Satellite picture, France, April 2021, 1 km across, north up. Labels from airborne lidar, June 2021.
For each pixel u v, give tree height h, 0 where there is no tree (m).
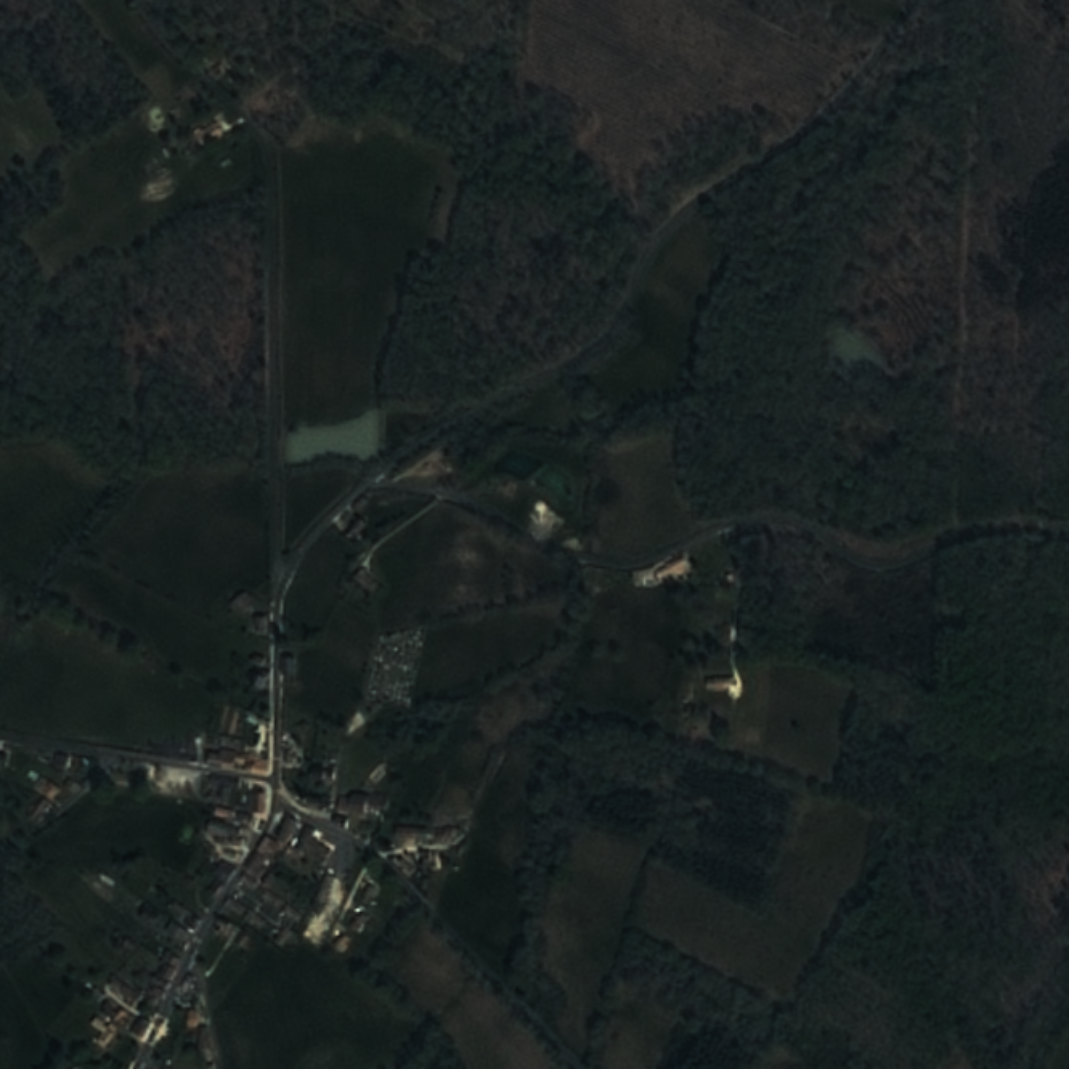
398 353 20
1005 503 12
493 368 23
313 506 0
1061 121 11
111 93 13
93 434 28
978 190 11
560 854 18
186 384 16
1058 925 10
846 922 18
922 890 13
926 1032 15
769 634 20
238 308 14
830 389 17
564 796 14
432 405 24
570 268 17
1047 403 11
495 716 0
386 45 6
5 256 15
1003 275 8
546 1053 10
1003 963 16
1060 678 20
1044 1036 22
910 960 20
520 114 12
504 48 15
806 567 15
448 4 11
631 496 0
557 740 9
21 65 17
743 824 14
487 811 0
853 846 0
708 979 16
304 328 0
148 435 20
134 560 0
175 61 6
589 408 25
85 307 19
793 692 0
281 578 0
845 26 19
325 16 17
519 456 0
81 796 0
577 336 18
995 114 11
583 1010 0
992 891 11
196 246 21
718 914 0
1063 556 16
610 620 0
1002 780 12
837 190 28
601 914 0
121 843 0
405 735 15
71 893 0
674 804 12
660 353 0
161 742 0
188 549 0
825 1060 7
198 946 0
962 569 23
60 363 17
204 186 0
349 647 0
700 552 0
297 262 0
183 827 0
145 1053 0
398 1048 0
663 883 0
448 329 25
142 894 0
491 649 0
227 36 20
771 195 15
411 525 0
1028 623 20
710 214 15
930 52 15
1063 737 17
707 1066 18
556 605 14
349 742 10
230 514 0
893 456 19
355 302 0
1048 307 12
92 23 14
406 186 0
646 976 11
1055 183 11
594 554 0
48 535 0
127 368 20
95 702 0
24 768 0
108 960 0
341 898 0
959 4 16
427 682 0
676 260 0
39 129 0
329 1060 0
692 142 18
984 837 13
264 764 0
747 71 0
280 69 18
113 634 14
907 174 21
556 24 0
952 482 19
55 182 19
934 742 15
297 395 0
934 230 17
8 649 0
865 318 13
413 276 16
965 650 20
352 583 12
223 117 0
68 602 14
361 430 0
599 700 0
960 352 12
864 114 15
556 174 21
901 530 20
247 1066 0
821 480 21
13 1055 0
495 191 16
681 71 0
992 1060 18
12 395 25
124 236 0
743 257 19
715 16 0
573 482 0
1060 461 12
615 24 0
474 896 0
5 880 10
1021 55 11
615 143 0
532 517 0
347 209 0
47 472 0
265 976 0
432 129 25
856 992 12
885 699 13
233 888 0
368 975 17
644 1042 0
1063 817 21
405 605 0
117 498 9
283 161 0
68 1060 9
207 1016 0
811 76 0
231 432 23
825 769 0
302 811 0
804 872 0
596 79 0
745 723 0
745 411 19
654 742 16
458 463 10
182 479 0
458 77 6
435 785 0
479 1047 0
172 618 0
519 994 10
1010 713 21
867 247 21
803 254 17
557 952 0
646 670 0
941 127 25
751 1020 6
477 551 0
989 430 10
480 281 12
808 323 27
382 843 8
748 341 24
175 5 14
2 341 17
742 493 18
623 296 19
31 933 7
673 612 0
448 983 0
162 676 0
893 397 25
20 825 16
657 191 15
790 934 0
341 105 24
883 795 23
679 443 15
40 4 9
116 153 0
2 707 0
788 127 18
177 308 14
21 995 0
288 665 0
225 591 0
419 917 13
